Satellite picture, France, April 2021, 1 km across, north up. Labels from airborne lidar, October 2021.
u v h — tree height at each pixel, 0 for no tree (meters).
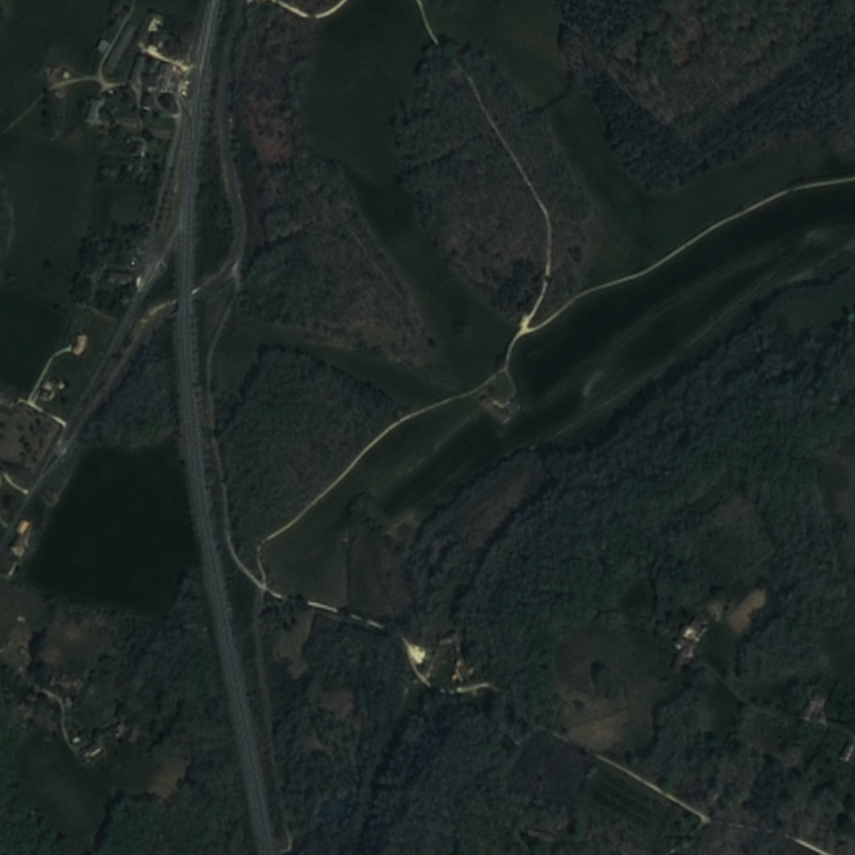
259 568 11
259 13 13
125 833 26
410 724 18
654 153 16
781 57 17
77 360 0
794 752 17
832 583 16
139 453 0
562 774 6
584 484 17
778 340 12
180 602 17
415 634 29
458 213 19
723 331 0
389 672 22
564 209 15
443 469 0
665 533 8
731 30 15
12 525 0
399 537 0
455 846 16
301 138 7
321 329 15
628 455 15
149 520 0
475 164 13
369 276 21
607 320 0
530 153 18
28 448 13
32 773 0
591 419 0
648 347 0
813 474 20
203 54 0
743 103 15
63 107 0
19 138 0
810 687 10
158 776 0
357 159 0
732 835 21
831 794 19
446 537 9
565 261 12
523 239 15
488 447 0
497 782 18
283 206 8
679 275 0
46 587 0
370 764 18
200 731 22
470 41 0
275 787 10
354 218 10
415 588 20
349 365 0
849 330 13
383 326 14
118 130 8
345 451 14
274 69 12
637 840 0
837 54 20
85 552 0
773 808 24
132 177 6
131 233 12
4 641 0
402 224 0
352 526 8
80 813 0
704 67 18
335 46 0
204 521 0
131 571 0
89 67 0
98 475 0
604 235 0
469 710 18
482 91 18
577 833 22
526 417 0
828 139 13
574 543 20
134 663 8
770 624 14
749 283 0
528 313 7
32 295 0
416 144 19
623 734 0
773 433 24
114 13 7
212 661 14
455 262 20
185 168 0
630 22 18
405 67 0
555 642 11
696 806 21
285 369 18
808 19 15
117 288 8
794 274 0
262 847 0
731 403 18
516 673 23
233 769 17
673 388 8
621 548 22
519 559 13
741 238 0
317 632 12
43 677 21
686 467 27
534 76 0
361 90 0
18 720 13
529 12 0
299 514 12
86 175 0
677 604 15
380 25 0
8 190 10
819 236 0
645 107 14
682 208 0
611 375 0
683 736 15
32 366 0
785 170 0
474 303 0
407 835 17
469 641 13
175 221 0
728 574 6
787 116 17
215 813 30
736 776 19
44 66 0
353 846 10
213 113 8
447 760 14
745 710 14
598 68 17
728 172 0
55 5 0
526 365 0
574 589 22
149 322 0
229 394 10
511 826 22
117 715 6
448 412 0
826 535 15
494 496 8
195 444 0
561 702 10
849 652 0
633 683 0
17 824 27
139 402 16
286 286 20
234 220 15
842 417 24
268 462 19
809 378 20
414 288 0
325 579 0
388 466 0
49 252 0
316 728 21
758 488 20
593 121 0
